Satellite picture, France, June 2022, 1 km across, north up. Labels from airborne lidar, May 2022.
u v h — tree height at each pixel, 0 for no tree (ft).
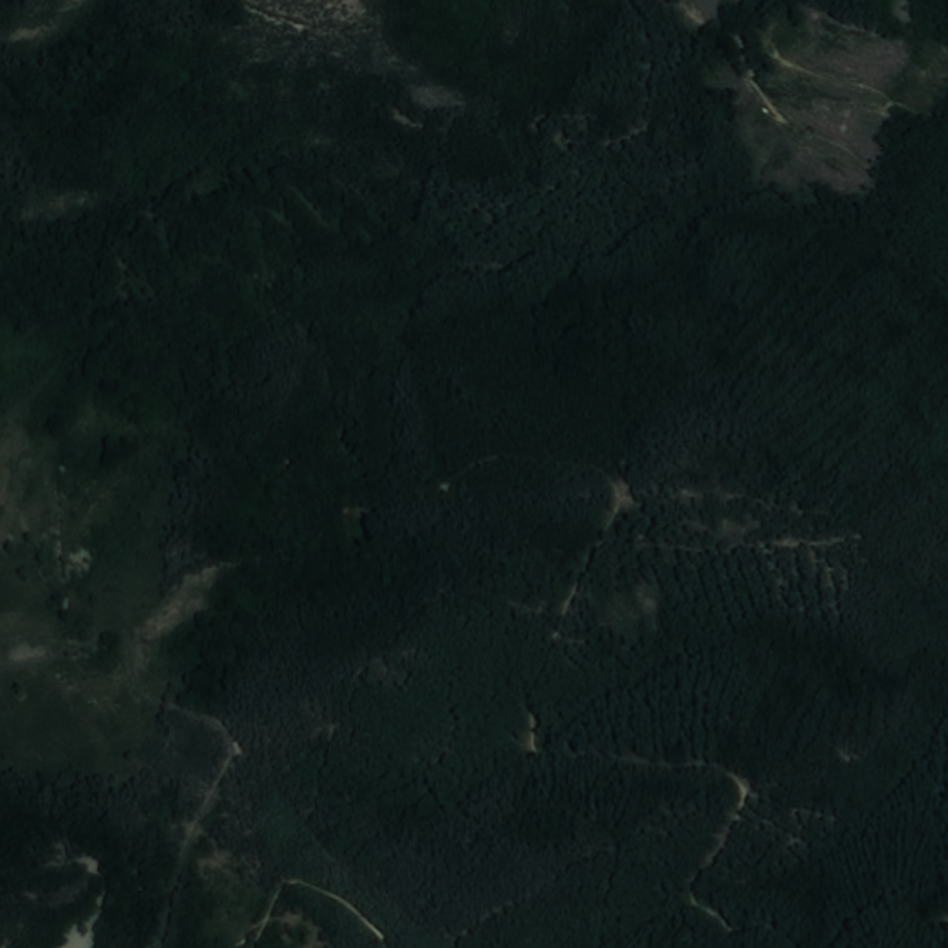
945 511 64
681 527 60
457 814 43
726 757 46
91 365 70
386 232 31
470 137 52
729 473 26
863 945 51
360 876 29
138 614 0
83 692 0
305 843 36
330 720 42
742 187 102
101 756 0
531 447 23
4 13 24
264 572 35
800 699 69
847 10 107
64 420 25
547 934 73
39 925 30
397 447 98
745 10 82
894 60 0
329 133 27
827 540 64
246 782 36
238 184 83
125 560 0
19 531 0
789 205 84
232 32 20
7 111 75
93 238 78
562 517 57
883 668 63
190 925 43
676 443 59
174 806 30
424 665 61
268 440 57
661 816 44
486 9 40
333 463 66
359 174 51
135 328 52
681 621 68
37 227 48
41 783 22
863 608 89
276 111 46
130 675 0
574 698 60
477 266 103
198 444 25
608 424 33
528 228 120
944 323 90
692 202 100
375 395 56
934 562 45
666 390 54
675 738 105
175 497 34
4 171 47
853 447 93
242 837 25
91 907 37
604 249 97
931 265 52
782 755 74
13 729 0
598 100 91
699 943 24
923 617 82
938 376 106
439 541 54
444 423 24
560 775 100
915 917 66
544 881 49
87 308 63
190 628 35
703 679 88
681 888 79
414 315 84
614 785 53
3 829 51
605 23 56
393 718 79
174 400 46
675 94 81
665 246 116
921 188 57
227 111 53
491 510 43
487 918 26
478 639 76
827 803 65
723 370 67
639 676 81
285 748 41
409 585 58
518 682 68
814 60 0
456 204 101
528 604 45
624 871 77
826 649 79
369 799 80
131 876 42
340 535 96
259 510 26
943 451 68
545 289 123
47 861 24
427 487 54
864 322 100
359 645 47
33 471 0
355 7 0
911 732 58
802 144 0
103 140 41
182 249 59
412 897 50
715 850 63
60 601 31
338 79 39
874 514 62
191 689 39
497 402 27
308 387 51
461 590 51
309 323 23
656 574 60
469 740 63
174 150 61
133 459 31
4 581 0
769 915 75
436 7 46
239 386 71
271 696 60
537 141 65
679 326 65
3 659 0
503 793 73
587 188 98
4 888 41
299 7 20
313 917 39
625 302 57
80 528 0
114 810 58
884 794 89
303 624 58
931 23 33
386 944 31
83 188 46
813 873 77
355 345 18
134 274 46
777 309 103
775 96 0
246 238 23
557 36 61
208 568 35
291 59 41
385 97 48
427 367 28
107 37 69
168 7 36
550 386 31
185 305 39
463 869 59
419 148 50
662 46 81
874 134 0
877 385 93
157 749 0
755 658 74
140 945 40
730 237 75
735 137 99
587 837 50
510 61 45
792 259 85
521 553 45
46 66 73
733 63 85
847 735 53
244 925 0
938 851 77
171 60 24
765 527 38
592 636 89
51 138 71
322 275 60
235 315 48
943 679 51
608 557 62
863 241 59
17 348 0
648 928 72
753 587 87
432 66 46
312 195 43
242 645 64
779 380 56
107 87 50
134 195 25
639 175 96
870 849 73
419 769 54
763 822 66
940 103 23
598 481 45
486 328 35
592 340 74
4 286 75
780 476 54
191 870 19
